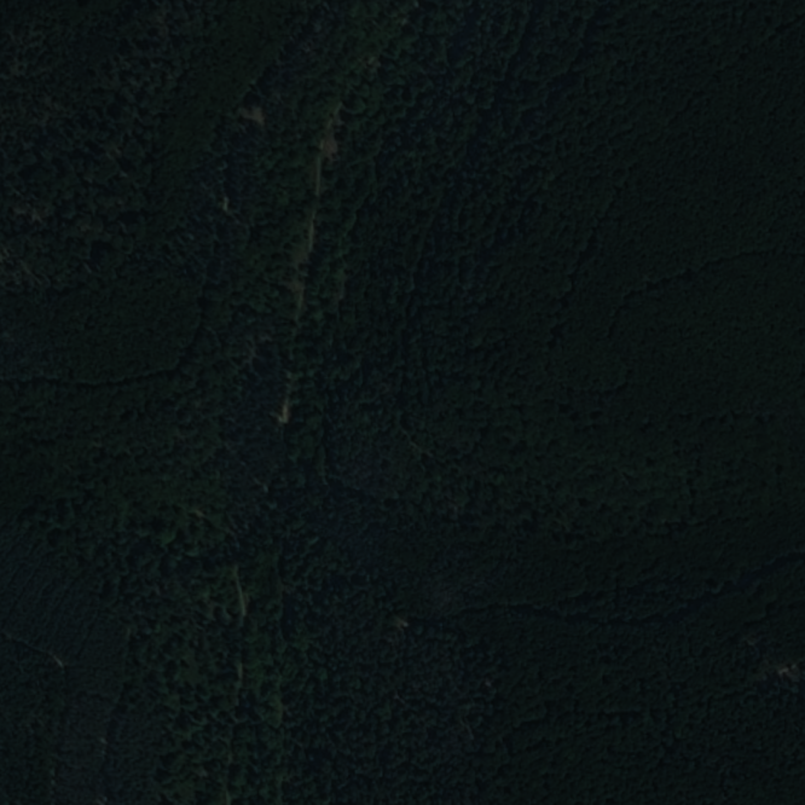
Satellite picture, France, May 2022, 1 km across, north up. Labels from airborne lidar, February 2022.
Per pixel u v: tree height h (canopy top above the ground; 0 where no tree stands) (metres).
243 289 25
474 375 20
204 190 31
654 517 33
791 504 21
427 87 13
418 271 10
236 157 35
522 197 24
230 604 15
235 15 22
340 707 27
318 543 13
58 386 24
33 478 16
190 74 18
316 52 26
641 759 30
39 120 24
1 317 25
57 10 8
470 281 26
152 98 30
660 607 23
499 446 22
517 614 21
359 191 17
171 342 23
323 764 39
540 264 26
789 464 22
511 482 27
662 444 30
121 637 18
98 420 26
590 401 22
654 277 16
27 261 27
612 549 20
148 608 25
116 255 26
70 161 32
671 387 21
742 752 25
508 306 27
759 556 17
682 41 30
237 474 32
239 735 16
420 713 37
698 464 30
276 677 33
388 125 13
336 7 32
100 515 34
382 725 30
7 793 19
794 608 24
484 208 24
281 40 22
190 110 24
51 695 19
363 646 28
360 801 29
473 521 30
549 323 26
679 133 20
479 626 17
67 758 29
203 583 15
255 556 36
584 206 26
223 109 26
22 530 20
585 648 23
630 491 24
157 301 24
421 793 32
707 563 22
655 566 22
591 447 31
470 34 31
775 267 19
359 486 35
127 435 20
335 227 28
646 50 30
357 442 33
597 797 28
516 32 28
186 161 30
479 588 17
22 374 20
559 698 28
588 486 27
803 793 25
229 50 23
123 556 14
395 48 29
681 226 20
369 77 26
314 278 32
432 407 28
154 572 28
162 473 29
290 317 13
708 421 28
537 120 30
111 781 29
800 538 16
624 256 20
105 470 30
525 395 26
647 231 20
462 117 35
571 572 23
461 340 20
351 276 10
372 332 12
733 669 28
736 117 20
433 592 23
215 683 16
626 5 27
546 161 29
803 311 17
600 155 28
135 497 32
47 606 21
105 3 9
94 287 25
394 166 9
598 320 22
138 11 31
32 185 29
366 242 9
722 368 20
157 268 28
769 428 27
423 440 19
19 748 19
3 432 16
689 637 25
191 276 33
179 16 28
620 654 25
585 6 29
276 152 24
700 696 28
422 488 25
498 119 34
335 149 0
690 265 20
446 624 16
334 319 29
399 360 27
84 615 24
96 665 20
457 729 25
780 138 21
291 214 33
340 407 35
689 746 26
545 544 21
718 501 36
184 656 11
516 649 22
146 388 29
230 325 35
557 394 22
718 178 21
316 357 33
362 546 25
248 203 25
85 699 30
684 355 24
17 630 18
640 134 27
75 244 32
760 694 24
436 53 30
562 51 32
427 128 35
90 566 17
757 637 24
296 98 22
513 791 28
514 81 32
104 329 24
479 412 31
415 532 23
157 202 23
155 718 25
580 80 27
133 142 34
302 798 15
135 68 31
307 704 15
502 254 28
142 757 31
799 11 21
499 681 25
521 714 26
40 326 23
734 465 28
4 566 24
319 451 13
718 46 26
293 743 14
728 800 24
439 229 14
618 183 26
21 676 21
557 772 27
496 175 30
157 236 28
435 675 32
